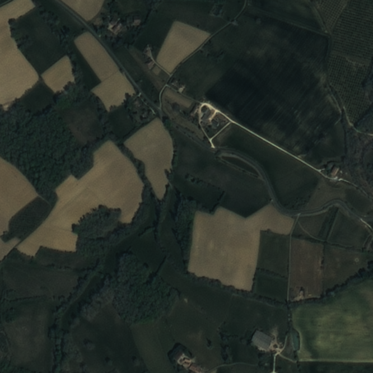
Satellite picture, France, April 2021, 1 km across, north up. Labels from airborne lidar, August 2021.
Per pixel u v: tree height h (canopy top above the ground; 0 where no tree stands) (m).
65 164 21
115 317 0
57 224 0
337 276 0
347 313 0
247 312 0
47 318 0
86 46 0
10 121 24
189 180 13
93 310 19
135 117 12
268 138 0
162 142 0
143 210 13
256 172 0
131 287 10
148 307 25
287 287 0
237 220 0
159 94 0
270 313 0
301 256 0
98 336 0
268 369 12
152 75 0
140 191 0
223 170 0
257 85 0
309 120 0
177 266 17
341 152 0
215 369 0
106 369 0
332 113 0
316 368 0
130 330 6
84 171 11
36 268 0
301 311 0
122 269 22
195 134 11
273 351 10
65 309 12
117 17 0
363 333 0
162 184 0
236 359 0
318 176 0
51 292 0
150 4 10
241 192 0
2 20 0
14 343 0
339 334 0
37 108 0
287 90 0
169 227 0
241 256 0
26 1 0
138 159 9
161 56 0
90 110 0
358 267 0
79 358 23
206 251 0
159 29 0
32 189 0
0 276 0
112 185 0
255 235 0
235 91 0
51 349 0
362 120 17
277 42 0
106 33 15
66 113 0
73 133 17
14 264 0
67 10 0
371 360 0
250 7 0
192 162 0
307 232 0
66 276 0
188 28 0
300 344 0
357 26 6
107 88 0
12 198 0
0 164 0
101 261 17
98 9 0
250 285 0
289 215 0
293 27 0
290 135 0
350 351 0
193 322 0
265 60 0
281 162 0
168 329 0
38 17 0
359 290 0
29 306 0
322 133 0
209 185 6
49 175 25
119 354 0
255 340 0
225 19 0
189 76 0
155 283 26
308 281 0
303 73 0
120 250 0
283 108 0
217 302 0
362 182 10
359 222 0
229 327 0
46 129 26
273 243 0
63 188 0
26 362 0
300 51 0
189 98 0
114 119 0
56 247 0
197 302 0
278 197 0
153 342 0
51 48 0
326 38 0
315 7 0
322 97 0
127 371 0
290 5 0
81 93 14
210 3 0
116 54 0
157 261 0
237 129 0
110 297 16
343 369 0
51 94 0
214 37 0
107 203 0
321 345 0
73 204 0
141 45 0
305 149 0
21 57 0
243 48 0
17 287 0
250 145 0
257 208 0
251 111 0
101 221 19
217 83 0
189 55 0
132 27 6
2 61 0
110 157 0
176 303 14
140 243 0
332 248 0
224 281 0
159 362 0
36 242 0
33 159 20
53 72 0
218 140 0
